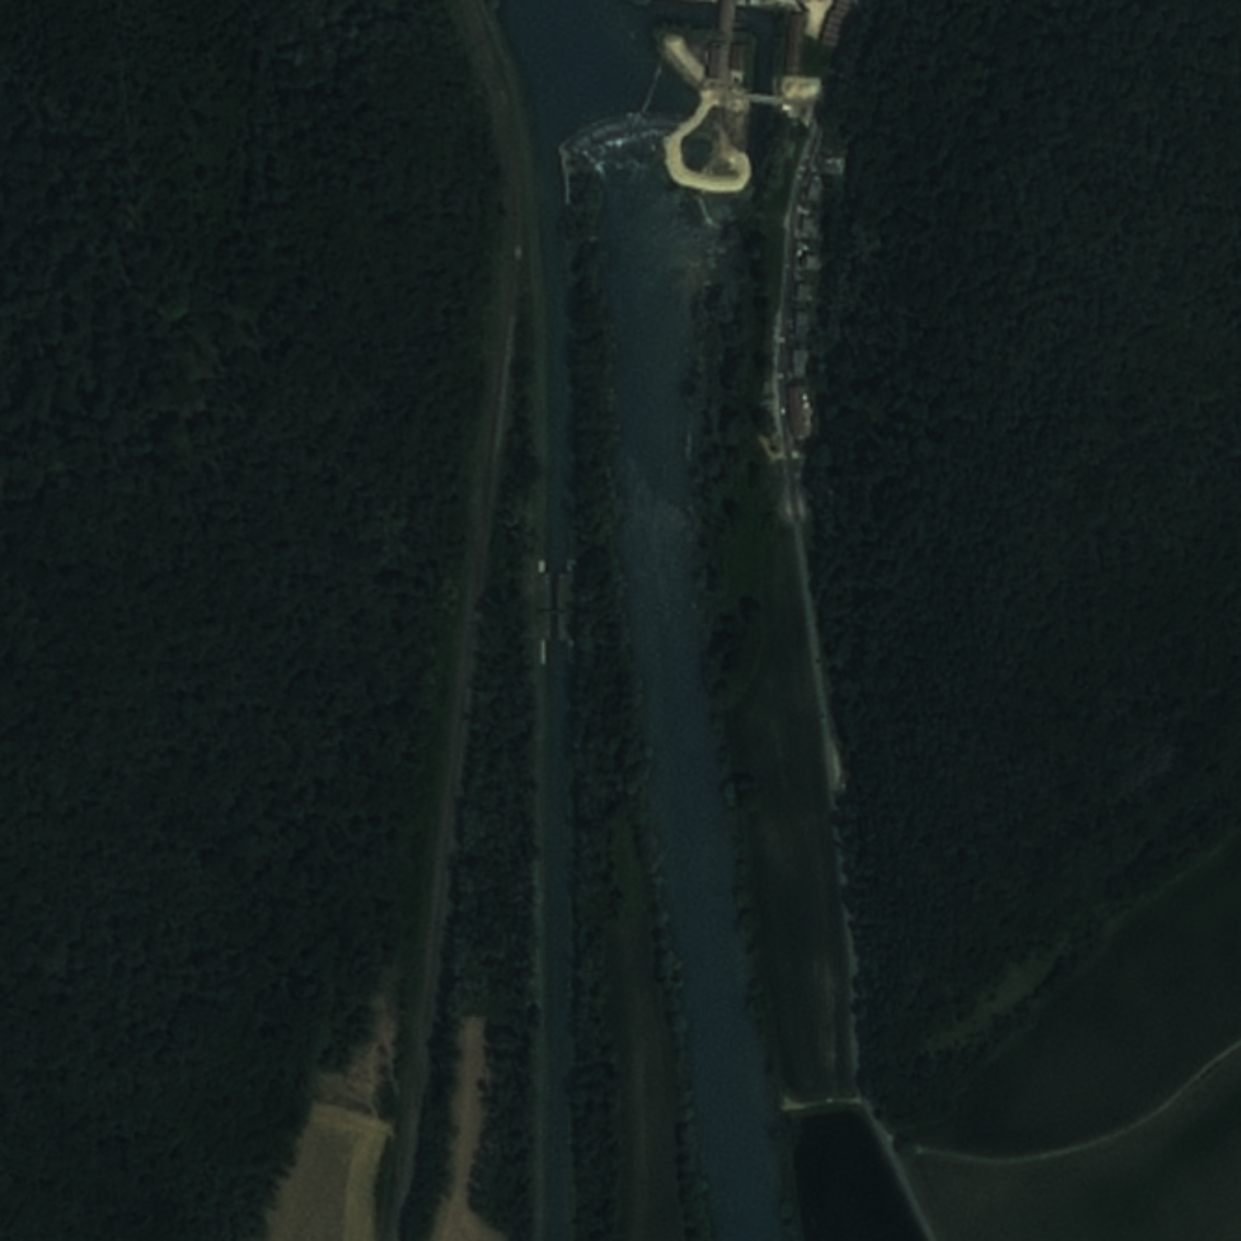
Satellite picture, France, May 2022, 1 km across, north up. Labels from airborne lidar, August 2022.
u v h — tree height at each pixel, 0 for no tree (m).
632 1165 0
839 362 18
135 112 7
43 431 33
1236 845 0
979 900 13
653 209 0
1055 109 23
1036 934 13
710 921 0
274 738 10
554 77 0
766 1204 0
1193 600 16
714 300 18
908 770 16
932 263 22
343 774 29
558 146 0
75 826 20
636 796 20
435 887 0
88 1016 9
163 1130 20
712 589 16
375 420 23
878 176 23
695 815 0
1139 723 15
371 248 24
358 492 15
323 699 19
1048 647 16
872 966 20
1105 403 17
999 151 24
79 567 25
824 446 14
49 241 28
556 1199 0
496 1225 17
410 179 25
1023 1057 0
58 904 13
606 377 11
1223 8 18
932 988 14
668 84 0
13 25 9
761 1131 0
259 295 21
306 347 19
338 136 23
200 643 15
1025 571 12
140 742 18
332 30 32
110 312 26
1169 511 18
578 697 20
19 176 31
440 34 21
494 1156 25
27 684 27
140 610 22
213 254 8
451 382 19
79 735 22
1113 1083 0
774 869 0
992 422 18
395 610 23
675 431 0
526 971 25
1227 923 0
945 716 16
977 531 14
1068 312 14
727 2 0
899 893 13
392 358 17
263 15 19
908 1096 17
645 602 0
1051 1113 0
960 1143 0
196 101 18
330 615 17
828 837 0
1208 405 13
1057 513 14
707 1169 0
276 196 27
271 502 25
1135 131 18
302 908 28
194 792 14
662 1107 0
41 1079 18
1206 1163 0
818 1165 0
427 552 25
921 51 22
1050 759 15
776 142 27
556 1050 0
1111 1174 0
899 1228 0
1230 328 16
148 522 24
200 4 8
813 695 0
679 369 0
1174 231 16
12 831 22
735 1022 0
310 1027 27
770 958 0
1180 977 0
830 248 10
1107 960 0
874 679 16
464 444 19
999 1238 0
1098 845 11
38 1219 17
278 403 18
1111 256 7
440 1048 19
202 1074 22
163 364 27
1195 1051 0
